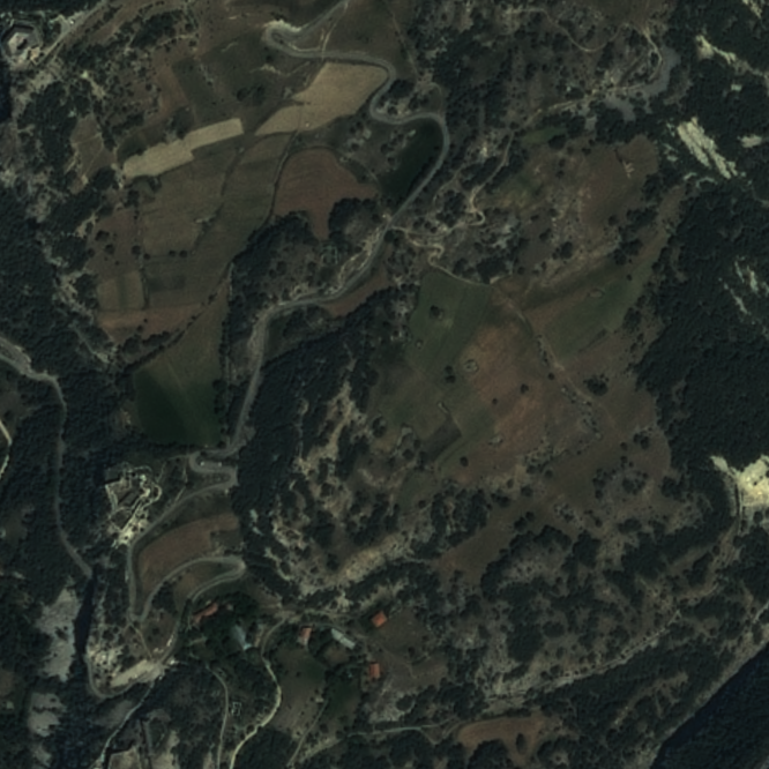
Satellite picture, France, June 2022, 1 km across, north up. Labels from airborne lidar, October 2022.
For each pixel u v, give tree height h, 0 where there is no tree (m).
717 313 13
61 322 10
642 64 0
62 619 0
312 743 6
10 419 11
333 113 0
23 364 0
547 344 0
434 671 0
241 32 0
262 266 9
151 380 0
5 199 10
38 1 8
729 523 10
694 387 14
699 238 14
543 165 0
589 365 0
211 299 7
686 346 11
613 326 0
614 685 12
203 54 0
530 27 10
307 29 0
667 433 8
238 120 0
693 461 10
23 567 15
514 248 8
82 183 0
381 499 6
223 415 12
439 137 0
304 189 0
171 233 0
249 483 8
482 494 13
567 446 0
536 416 0
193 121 0
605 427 0
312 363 6
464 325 0
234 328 9
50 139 11
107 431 13
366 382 12
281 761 7
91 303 8
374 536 10
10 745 7
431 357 0
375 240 0
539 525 0
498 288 0
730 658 8
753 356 16
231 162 0
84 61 12
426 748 12
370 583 12
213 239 0
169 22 7
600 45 0
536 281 0
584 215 0
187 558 0
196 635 14
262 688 11
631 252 13
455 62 8
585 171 0
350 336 8
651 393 11
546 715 10
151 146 0
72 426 12
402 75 0
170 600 10
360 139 0
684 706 15
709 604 9
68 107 8
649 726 7
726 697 13
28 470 14
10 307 8
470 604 12
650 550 15
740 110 17
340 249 6
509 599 9
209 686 11
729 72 8
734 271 7
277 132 0
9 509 11
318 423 11
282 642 8
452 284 0
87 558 9
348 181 0
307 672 0
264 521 7
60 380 8
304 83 0
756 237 15
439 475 0
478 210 0
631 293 0
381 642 0
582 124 11
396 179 0
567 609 11
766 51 14
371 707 0
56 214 12
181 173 0
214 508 0
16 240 12
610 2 0
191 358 0
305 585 0
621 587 11
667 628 7
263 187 0
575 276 0
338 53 0
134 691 10
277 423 7
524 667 7
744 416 16
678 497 8
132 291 0
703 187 8
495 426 0
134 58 5
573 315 0
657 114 9
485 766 7
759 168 10
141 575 0
